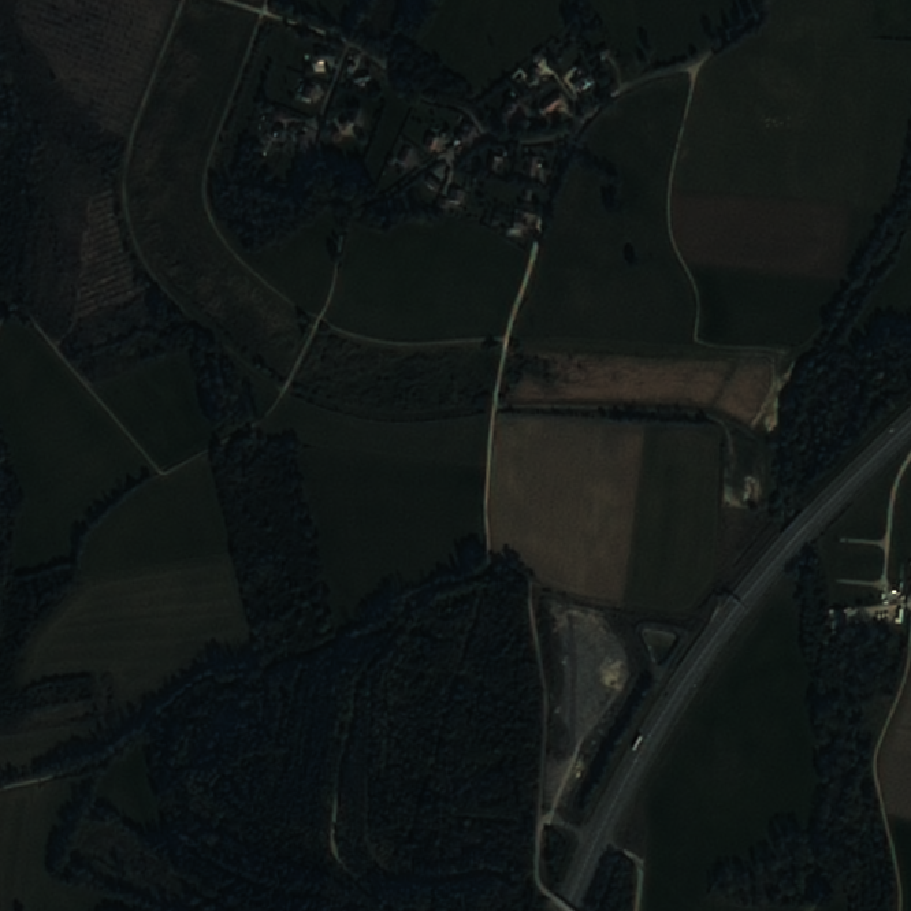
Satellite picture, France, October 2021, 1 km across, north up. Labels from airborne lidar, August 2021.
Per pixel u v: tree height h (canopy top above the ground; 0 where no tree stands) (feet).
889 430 0
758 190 0
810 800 0
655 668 0
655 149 0
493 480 0
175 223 0
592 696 0
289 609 37
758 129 0
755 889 56
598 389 0
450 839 45
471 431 0
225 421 66
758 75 0
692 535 0
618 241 0
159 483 0
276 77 0
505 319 0
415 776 45
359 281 0
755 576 0
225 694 56
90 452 0
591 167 67
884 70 0
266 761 34
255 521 45
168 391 0
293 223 72
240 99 18
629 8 0
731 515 0
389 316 0
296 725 31
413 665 50
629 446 0
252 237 69
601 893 21
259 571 59
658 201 0
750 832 0
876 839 21
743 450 0
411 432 0
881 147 0
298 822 35
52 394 0
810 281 0
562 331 0
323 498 0
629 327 0
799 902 52
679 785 0
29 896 0
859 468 0
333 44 35
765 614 0
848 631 69
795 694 0
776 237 0
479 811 46
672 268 0
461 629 32
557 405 0
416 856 34
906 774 0
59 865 53
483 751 51
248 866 83
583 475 0
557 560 0
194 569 0
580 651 0
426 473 0
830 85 0
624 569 0
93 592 0
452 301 0
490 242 0
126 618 0
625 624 0
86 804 48
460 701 43
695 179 0
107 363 0
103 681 0
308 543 35
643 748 0
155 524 0
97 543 0
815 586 22
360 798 34
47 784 0
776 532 0
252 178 22
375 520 0
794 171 0
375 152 0
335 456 0
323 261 0
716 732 0
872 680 69
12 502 67
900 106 0
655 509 0
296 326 0
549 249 0
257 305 0
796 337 0
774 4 0
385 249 0
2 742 0
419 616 30
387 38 25
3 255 34
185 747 82
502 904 23
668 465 0
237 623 0
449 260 0
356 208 82
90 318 0
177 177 0
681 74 0
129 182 0
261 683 36
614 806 0
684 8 0
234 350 0
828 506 0
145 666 0
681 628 0
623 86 0
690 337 0
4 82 87
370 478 0
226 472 30
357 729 31
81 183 0
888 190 0
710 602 0
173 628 0
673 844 0
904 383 33
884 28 0
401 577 0
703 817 0
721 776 0
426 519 0
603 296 0
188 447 0
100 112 0
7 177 33
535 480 0
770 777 0
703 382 0
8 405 0
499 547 0
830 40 0
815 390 35
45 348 0
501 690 39
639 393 0
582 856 0
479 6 0
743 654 0
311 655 27
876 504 0
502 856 37
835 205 0
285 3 57
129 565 0
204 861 54
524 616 36
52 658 0
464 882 33
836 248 0
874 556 0
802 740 0
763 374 0
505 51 0
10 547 49
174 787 92
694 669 0
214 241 0
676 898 0
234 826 64
